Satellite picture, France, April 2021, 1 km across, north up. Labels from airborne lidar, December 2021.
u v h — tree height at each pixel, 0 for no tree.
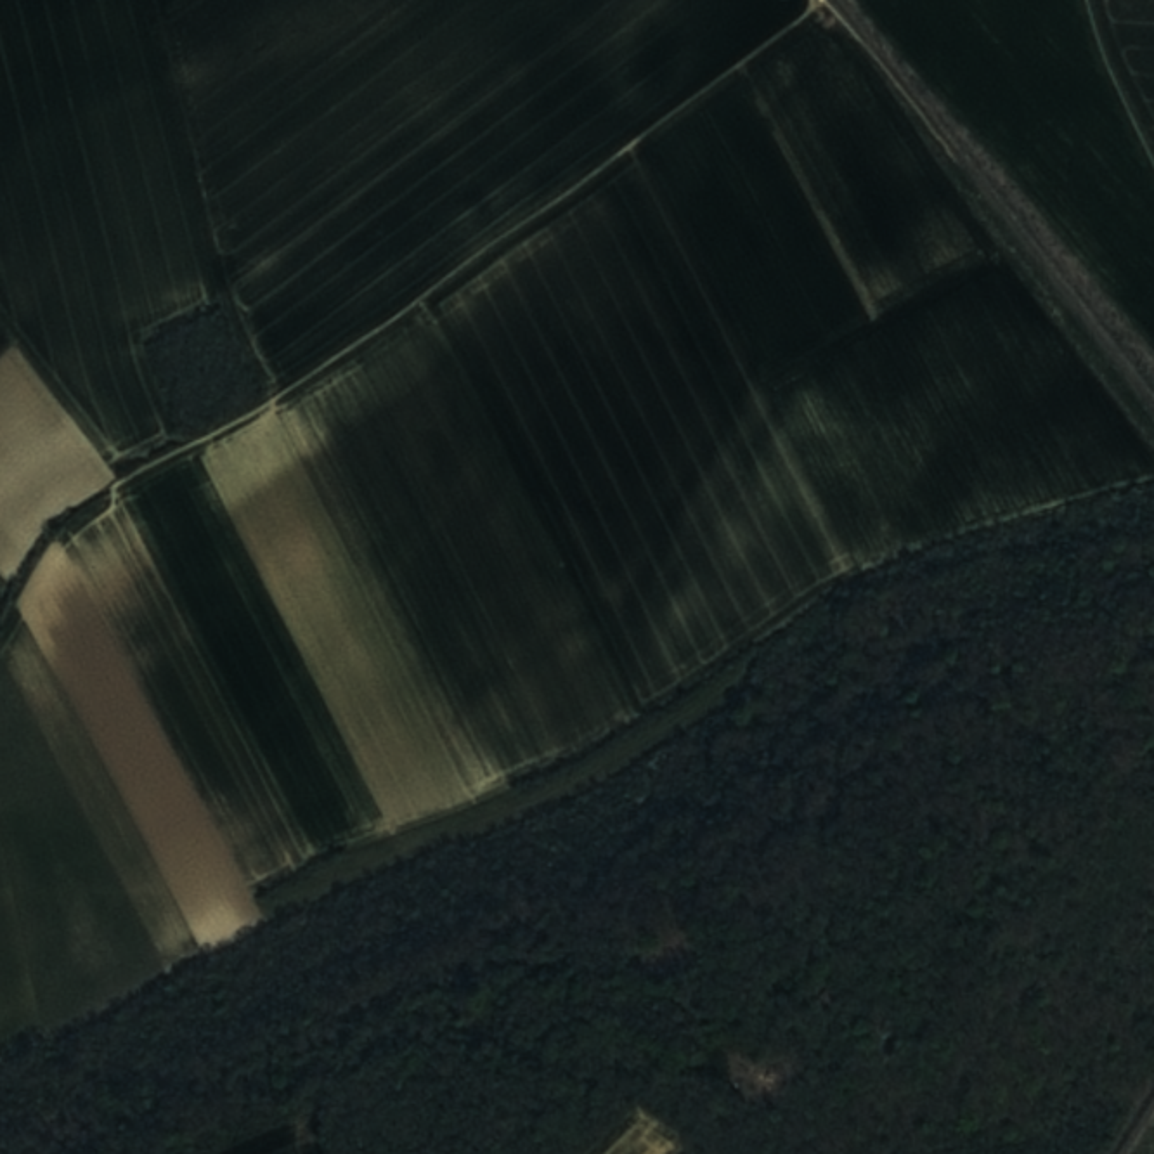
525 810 0
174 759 0
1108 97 0
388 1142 24
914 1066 21
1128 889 14
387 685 0
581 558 0
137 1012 13
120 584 0
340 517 0
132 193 0
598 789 12
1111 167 0
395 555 0
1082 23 0
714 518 0
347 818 0
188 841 0
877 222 0
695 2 0
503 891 23
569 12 0
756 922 28
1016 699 21
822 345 0
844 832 21
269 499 0
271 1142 0
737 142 0
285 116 0
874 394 0
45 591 0
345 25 0
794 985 6
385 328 0
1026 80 0
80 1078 25
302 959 14
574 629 0
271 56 0
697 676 0
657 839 23
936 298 0
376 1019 9
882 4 0
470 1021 24
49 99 0
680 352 0
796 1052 25
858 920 24
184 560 0
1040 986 20
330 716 0
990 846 17
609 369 0
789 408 0
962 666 16
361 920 17
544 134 0
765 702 26
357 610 0
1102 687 16
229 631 0
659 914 29
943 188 0
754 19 0
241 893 0
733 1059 0
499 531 0
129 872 0
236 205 0
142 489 0
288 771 0
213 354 17
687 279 0
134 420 0
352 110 0
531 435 0
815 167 0
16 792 0
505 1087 27
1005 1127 21
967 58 0
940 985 21
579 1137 25
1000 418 0
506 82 0
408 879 18
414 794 0
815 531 0
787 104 0
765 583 0
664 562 0
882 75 0
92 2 0
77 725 0
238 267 0
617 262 0
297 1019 21
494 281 0
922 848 23
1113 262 0
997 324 0
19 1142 30
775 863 24
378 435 0
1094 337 0
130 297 0
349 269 0
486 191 0
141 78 0
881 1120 21
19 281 0
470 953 24
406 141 0
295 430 0
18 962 0
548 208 0
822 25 0
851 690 21
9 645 0
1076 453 0
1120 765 20
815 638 9
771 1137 26
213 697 0
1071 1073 16
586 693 0
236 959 10
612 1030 22
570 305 0
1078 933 10
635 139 0
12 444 0
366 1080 21
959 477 0
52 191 0
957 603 21
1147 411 0
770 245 0
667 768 9
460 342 0
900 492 0
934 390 0
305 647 0
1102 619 21
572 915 16
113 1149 17
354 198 0
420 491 0
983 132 0
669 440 0
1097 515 8
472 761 0
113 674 0
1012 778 14
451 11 0
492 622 0
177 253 0
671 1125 19
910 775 24
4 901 0
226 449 0
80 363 0
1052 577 15
